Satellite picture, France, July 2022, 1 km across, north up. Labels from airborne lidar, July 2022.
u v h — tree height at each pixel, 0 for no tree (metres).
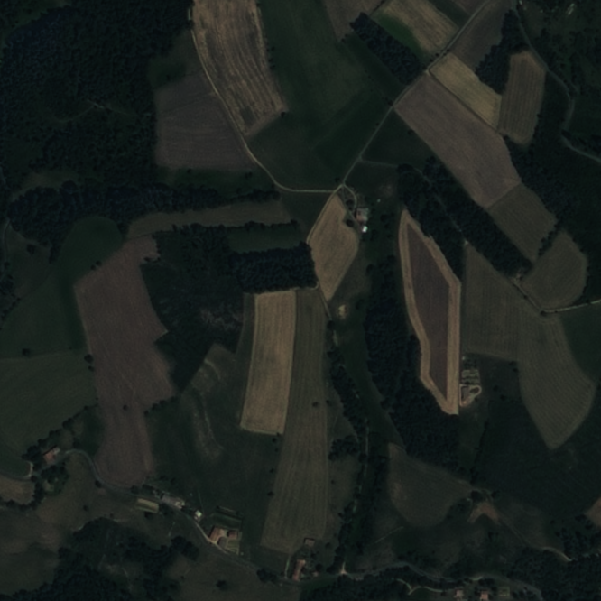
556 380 0
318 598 19
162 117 0
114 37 28
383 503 0
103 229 0
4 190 19
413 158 0
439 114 0
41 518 0
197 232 19
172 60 0
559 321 0
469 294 0
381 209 0
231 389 0
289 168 0
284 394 0
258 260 33
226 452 0
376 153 0
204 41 0
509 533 0
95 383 0
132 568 0
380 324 23
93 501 0
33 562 0
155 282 0
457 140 0
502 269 19
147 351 0
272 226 7
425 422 19
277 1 0
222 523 0
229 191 0
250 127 0
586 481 0
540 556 10
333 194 0
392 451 0
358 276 0
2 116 36
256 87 0
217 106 0
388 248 0
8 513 0
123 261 0
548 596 20
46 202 21
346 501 0
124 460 0
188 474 0
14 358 0
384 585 15
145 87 16
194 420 0
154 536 0
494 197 0
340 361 17
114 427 0
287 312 0
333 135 0
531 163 19
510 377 0
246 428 0
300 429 0
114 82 19
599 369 0
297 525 0
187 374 0
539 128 10
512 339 0
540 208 0
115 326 0
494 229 20
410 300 0
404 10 0
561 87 6
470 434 0
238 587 0
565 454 0
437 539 0
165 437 0
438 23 0
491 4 0
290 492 0
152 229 0
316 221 0
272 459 0
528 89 0
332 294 0
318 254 0
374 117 0
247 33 0
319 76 0
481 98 0
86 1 24
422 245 0
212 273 0
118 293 0
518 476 0
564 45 6
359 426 14
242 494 0
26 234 18
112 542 0
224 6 0
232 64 0
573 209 21
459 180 0
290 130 0
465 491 0
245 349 0
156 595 25
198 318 0
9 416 0
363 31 25
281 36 0
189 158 0
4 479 0
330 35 0
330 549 9
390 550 0
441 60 0
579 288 0
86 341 0
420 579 15
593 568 15
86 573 17
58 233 22
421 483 0
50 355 0
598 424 0
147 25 22
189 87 0
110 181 7
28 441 0
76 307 0
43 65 20
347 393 16
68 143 23
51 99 8
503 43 12
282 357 0
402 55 27
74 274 0
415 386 17
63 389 0
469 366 6
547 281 0
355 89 0
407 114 0
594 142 7
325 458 0
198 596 0
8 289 19
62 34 31
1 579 0
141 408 0
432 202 7
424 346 0
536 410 0
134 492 8
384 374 21
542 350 0
